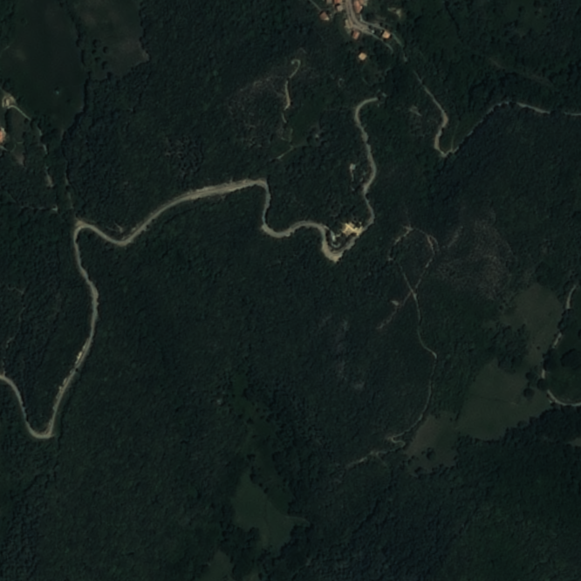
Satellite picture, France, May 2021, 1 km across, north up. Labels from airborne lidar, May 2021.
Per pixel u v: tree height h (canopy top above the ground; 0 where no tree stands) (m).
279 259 7
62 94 0
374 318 8
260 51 9
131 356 13
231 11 8
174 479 19
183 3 8
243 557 18
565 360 14
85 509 17
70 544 18
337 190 9
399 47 12
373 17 15
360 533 13
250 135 8
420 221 6
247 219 10
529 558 6
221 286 21
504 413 0
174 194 9
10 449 13
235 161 12
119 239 10
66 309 13
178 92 7
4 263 8
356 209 11
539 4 14
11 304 7
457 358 13
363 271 11
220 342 8
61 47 0
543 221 14
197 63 10
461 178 12
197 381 8
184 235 12
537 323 0
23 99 9
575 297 6
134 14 0
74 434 15
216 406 17
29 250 11
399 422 7
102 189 10
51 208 13
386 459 7
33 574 8
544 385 20
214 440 15
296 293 10
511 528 6
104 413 15
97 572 18
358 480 14
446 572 13
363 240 11
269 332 11
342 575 8
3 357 7
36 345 6
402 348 6
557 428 15
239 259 12
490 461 10
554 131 12
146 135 14
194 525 15
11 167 14
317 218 10
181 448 28
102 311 16
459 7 16
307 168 10
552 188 11
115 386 18
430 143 9
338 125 7
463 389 8
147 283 11
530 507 8
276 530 0
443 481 12
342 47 8
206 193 0
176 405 25
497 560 19
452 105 13
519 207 12
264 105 7
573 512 19
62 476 19
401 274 7
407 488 11
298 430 17
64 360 12
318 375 10
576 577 15
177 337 14
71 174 22
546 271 14
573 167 16
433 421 0
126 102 12
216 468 15
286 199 8
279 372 11
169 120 13
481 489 8
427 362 7
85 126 21
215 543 15
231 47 10
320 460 15
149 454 18
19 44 0
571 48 21
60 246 12
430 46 20
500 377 0
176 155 14
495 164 10
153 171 11
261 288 10
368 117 8
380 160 6
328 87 6
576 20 20
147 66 7
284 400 16
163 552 19
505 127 15
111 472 11
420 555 8
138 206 9
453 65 17
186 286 11
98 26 0
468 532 10
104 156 11
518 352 13
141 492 15
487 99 7
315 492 12
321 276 11
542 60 17
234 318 14
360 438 7
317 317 6
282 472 14
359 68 12
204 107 11
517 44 22
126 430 14
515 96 14
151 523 21
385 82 9
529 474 13
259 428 0
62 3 10
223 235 8
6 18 12
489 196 8
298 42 6
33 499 11
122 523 18
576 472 21
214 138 14
